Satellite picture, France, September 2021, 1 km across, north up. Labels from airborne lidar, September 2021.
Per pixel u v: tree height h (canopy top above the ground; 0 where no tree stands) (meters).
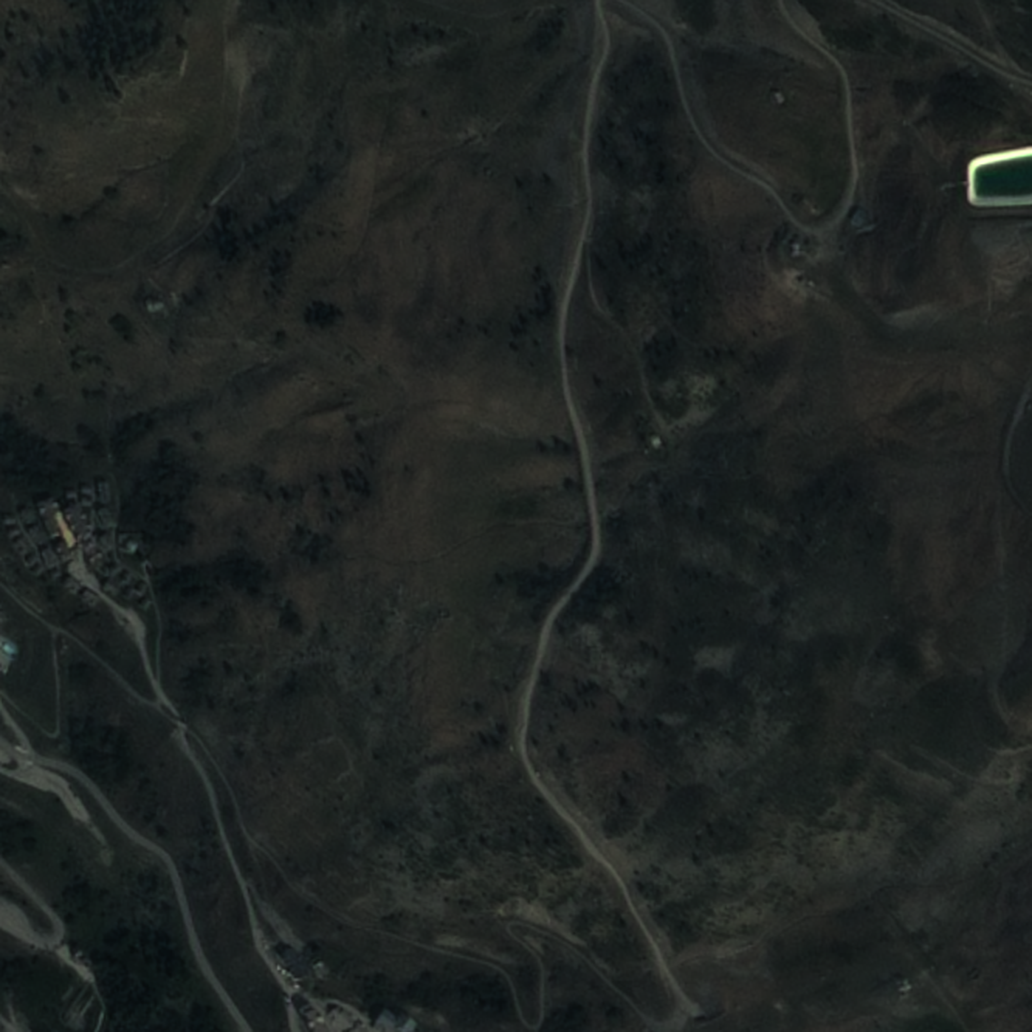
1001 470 0
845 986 0
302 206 0
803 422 0
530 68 0
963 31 0
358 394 0
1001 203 0
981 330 0
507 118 0
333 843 0
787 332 0
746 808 0
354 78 0
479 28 0
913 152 0
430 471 0
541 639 0
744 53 0
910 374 0
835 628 0
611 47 0
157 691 0
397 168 0
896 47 0
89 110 0
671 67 0
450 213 0
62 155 0
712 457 0
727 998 0
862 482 0
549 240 0
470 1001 7
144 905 7
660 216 0
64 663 0
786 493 0
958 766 0
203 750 0
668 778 0
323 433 0
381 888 0
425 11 0
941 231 0
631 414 0
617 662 0
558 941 0
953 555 0
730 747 0
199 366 0
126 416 0
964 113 0
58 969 0
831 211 0
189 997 0
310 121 0
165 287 0
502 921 0
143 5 14
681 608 0
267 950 0
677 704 0
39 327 0
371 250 0
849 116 0
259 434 0
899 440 0
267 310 0
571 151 0
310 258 0
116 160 0
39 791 0
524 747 0
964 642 0
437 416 0
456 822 0
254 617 0
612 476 0
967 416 0
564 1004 0
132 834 0
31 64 0
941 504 0
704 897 0
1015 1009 0
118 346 0
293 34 0
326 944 0
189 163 0
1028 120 0
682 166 0
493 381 0
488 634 0
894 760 0
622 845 0
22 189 0
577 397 0
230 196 0
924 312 0
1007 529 0
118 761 9
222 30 0
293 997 0
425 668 0
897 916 0
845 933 0
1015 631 0
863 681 0
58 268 0
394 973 0
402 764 0
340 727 0
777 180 0
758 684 0
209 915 0
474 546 0
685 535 0
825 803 0
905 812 0
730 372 0
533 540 0
